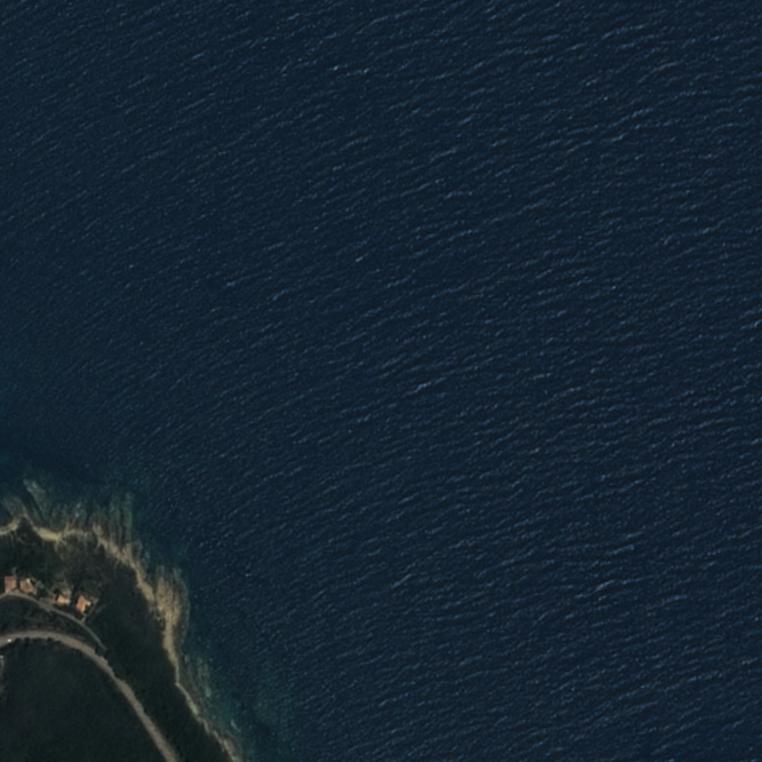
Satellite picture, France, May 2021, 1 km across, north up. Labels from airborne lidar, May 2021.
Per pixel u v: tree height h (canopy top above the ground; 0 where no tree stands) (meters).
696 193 0
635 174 0
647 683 0
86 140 0
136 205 0
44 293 0
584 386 0
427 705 0
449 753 0
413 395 0
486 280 0
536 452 0
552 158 0
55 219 0
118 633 7
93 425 0
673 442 0
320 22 0
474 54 0
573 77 0
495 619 0
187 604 0
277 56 0
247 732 0
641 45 0
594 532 0
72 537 0
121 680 9
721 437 0
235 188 0
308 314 0
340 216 0
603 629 0
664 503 0
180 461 0
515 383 0
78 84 0
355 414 0
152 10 0
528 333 0
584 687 0
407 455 0
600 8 0
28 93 0
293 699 0
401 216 0
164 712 7
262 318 0
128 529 0
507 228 0
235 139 0
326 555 0
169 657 0
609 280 0
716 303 0
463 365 0
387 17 0
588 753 0
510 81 0
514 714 0
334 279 0
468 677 0
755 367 0
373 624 0
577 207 0
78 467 0
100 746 10
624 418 0
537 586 0
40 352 0
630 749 0
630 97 0
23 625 9
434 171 0
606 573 0
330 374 0
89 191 0
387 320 0
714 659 0
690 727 0
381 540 0
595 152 0
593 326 0
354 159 0
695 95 0
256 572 0
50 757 7
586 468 0
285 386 0
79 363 0
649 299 0
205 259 0
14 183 0
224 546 0
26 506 0
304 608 0
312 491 0
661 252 0
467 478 0
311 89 0
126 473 0
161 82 0
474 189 0
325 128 0
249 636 0
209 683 0
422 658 0
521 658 0
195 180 0
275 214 0
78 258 0
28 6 0
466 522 0
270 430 0
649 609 0
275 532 0
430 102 0
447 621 0
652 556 0
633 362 0
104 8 0
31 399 0
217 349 0
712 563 0
